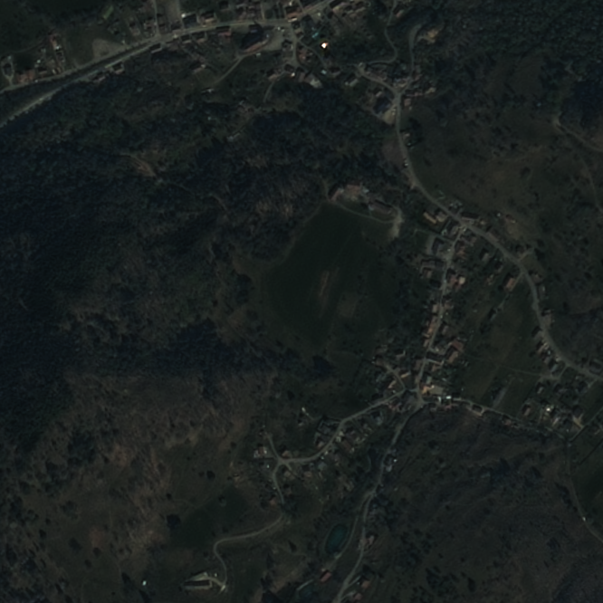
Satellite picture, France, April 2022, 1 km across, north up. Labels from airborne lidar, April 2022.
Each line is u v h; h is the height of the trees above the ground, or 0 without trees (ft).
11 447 45
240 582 0
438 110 0
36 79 0
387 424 37
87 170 38
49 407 59
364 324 0
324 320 0
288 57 0
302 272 0
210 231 62
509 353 0
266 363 67
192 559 0
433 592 25
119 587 0
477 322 0
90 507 0
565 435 0
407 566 24
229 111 35
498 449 0
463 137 0
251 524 0
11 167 67
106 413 37
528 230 0
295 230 20
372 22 0
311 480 0
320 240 0
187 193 25
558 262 0
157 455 0
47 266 42
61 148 67
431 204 0
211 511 0
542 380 0
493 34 32
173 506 0
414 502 0
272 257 75
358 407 0
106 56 0
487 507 0
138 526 72
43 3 0
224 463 0
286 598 22
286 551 0
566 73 66
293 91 24
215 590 0
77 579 0
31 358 52
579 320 0
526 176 42
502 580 35
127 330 33
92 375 41
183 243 67
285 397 28
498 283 0
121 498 72
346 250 0
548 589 0
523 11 28
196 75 0
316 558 69
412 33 0
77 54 0
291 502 52
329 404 0
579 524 0
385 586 0
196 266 56
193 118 21
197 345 100
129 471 0
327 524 84
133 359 66
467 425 0
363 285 20
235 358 81
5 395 62
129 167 21
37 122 24
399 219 0
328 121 82
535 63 0
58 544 0
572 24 28
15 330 75
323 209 0
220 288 55
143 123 29
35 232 76
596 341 70
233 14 0
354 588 0
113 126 48
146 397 0
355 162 85
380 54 35
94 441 54
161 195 49
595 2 19
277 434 0
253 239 91
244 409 0
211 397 47
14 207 53
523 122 0
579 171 0
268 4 0
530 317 0
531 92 0
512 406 0
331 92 87
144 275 57
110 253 49
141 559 0
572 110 44
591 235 0
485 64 32
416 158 0
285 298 0
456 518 0
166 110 31
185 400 26
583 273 0
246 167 27
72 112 52
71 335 55
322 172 51
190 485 0
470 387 0
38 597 45
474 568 0
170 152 24
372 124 52
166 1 0
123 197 51
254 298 0
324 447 0
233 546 0
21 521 44
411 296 25
